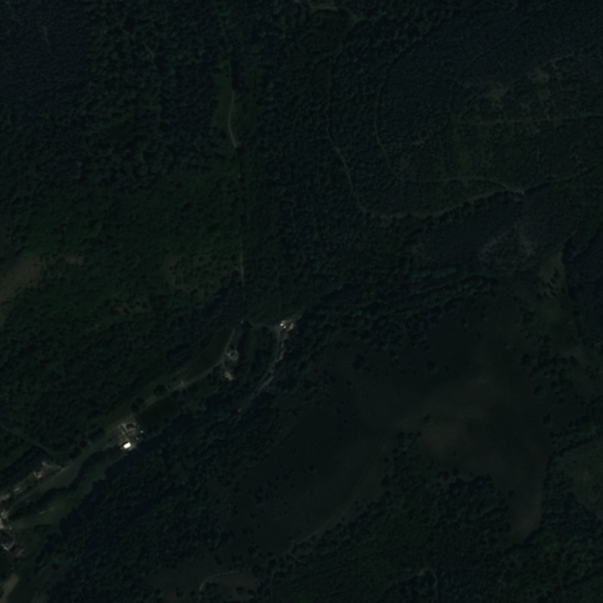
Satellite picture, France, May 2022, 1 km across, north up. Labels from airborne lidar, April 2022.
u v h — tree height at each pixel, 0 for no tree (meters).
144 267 23
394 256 12
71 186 15
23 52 32
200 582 0
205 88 37
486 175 9
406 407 0
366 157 12
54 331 11
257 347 0
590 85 11
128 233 26
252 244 12
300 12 25
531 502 0
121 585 15
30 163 12
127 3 13
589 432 14
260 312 18
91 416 25
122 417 0
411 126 12
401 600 16
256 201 10
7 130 12
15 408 22
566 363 15
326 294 9
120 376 9
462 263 20
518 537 0
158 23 36
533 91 10
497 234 17
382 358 0
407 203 13
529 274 7
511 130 6
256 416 18
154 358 6
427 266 19
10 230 7
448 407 0
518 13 21
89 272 16
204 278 9
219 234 23
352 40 16
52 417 16
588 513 25
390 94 11
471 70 18
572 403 0
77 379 11
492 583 13
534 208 22
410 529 8
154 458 23
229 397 19
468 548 9
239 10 9
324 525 0
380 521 8
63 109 19
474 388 0
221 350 0
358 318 20
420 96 10
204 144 32
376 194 11
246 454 8
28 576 0
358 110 9
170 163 33
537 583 24
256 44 35
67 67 31
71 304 19
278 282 12
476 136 8
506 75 15
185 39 22
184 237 15
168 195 23
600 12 17
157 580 0
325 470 0
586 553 27
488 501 26
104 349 19
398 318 18
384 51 11
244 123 6
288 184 17
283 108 10
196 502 24
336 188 19
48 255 6
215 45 25
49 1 31
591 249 29
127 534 21
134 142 29
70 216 24
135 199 26
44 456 21
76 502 0
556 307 0
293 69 14
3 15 28
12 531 0
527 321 12
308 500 0
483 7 15
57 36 29
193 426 35
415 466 9
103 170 29
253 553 11
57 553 25
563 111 11
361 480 0
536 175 11
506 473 0
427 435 0
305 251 19
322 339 17
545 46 15
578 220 9
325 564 7
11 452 6
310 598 9
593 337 13
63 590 11
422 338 13
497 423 0
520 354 0
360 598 9
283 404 0
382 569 8
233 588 0
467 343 0
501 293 0
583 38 14
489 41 22
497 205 17
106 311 8
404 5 33
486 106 10
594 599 32
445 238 17
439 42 11
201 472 8
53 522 0
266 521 0
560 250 0
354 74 13
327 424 0
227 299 26
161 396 19
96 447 0
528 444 0
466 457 0
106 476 0
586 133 9
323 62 16
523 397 0
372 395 0
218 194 20
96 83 35
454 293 16
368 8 8
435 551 12
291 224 25
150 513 21
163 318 8
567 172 13
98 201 25
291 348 7
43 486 0
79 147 13
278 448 0
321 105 10
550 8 16
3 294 0
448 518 30
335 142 11
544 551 22
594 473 0
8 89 27
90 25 31
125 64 24
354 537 19
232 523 0
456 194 10
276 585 12
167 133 30
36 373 23
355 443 0
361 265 12
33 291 13
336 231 11
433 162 10
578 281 12
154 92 27
